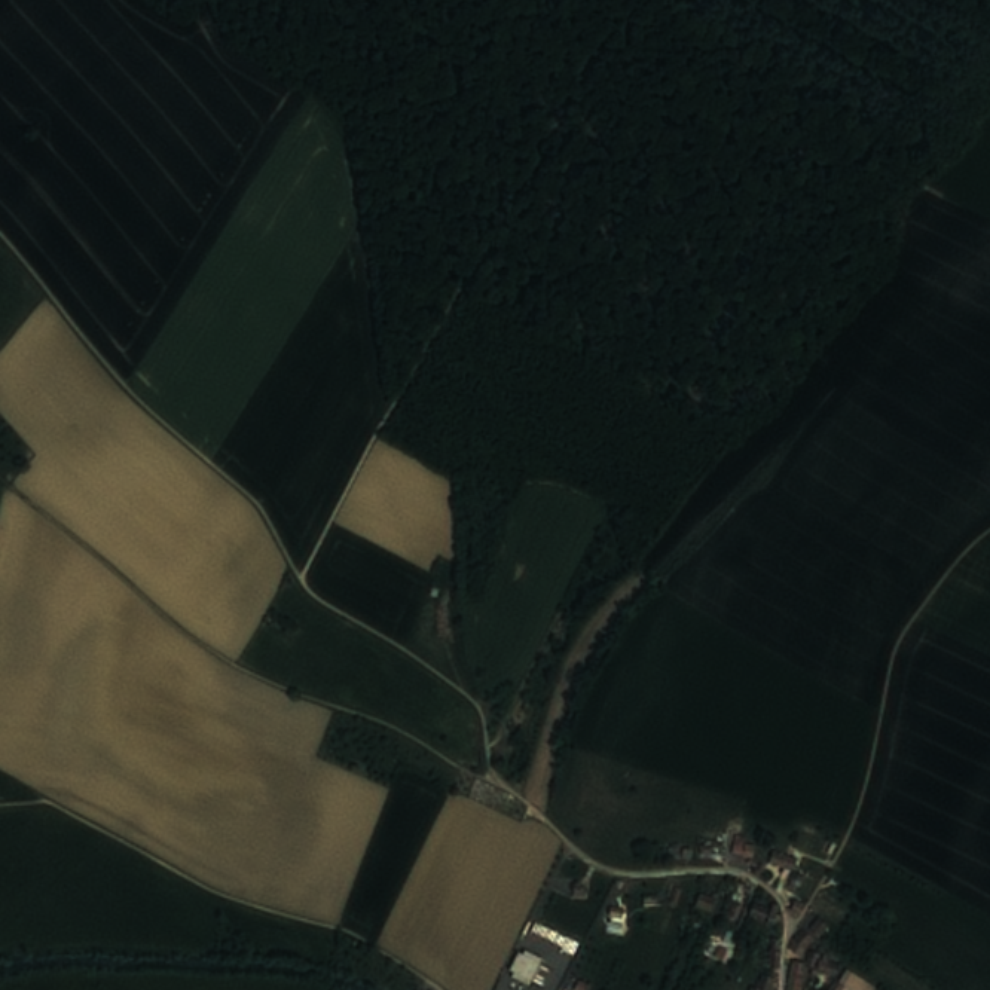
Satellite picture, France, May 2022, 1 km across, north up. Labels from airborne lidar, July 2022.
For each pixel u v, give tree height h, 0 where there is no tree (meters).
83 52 0
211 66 0
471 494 19
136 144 0
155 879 0
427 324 14
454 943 0
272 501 0
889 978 0
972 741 0
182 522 0
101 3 0
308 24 29
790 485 0
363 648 0
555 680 16
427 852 0
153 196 0
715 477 0
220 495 0
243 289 0
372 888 0
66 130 0
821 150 33
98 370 0
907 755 0
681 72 32
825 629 0
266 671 0
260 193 0
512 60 32
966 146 23
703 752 0
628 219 30
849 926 9
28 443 0
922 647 0
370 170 27
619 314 32
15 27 0
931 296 0
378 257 24
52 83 0
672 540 0
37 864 0
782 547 0
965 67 27
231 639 0
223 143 0
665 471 10
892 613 0
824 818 0
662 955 0
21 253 0
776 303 31
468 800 0
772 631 0
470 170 30
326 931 0
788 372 15
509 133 31
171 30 0
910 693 0
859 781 0
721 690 0
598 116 30
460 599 14
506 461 12
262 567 0
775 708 0
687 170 29
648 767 0
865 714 0
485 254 12
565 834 0
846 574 0
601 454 11
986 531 0
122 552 0
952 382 0
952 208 0
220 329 0
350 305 0
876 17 35
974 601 0
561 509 0
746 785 0
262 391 0
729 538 0
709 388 27
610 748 0
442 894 0
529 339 11
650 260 28
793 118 18
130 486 0
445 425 10
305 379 0
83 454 0
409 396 9
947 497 0
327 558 0
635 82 25
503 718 13
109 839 0
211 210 0
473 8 30
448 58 27
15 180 0
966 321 0
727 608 0
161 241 0
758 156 27
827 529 0
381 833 0
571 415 11
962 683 0
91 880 0
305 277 0
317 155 0
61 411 0
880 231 25
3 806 0
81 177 0
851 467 0
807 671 0
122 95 0
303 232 0
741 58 28
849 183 31
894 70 30
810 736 0
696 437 8
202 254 0
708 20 29
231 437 0
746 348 30
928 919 0
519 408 10
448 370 11
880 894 0
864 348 0
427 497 0
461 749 0
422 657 0
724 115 30
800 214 33
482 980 0
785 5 28
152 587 0
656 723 0
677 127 27
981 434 0
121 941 0
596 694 0
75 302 0
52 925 0
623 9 24
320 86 23
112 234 0
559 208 30
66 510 0
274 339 0
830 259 32
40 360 0
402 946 0
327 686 0
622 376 32
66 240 0
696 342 33
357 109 22
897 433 0
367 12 30
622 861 0
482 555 16
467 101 29
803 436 0
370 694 0
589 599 20
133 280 0
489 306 11
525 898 0
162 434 0
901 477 0
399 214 30
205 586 0
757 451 0
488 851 0
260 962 9
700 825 0
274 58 25
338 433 0
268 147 0
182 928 0
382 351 18
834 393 0
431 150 28
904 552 0
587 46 29
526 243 30
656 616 0
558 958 0
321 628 0
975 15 29
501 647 0
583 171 30
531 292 27
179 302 0
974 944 0
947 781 0
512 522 17
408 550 0
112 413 0
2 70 0
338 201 0
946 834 0
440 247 30
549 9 27
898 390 0
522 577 0
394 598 0
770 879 6
